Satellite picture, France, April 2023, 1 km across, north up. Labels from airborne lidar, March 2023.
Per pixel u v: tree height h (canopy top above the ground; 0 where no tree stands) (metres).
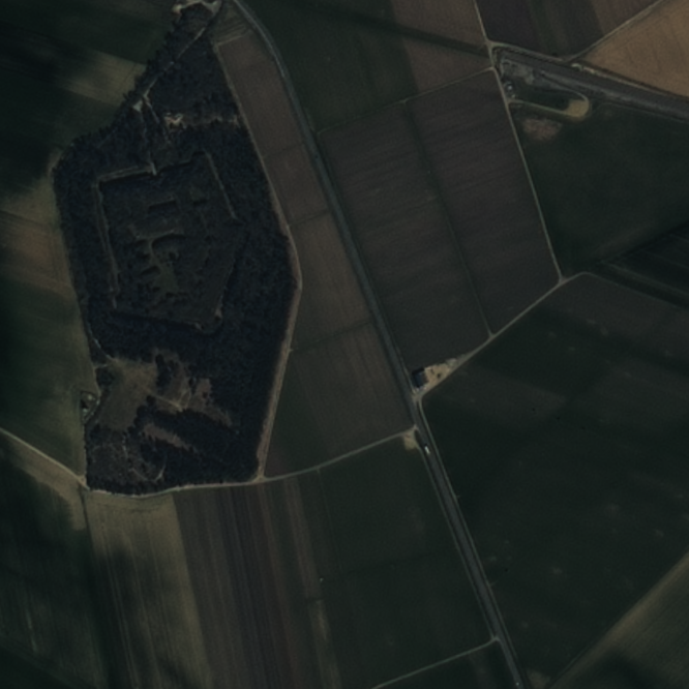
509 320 0
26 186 0
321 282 0
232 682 0
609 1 0
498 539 0
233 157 15
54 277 0
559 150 0
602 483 0
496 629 0
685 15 0
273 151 0
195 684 0
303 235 0
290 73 0
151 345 16
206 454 10
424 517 0
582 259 0
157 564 0
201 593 0
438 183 0
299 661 0
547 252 0
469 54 0
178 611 0
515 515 0
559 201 0
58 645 0
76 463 0
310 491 0
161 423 14
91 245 12
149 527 0
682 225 0
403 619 0
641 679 0
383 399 0
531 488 0
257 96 0
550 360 0
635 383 0
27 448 0
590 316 0
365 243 0
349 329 0
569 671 0
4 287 0
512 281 0
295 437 0
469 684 0
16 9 0
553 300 0
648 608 0
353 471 0
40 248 0
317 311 0
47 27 0
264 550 0
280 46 0
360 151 0
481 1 0
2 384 0
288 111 0
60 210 6
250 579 0
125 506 0
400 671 0
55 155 0
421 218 0
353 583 0
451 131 0
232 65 0
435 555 0
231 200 11
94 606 0
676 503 0
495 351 0
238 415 13
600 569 0
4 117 0
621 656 0
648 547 0
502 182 0
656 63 0
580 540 0
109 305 13
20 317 0
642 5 0
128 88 0
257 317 15
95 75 0
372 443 0
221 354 13
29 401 0
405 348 0
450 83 0
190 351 13
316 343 0
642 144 0
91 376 0
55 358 0
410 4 0
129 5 0
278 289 13
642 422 0
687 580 0
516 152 0
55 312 0
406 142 0
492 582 0
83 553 0
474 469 0
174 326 13
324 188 0
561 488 0
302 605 0
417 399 0
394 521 0
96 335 12
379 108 0
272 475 0
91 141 6
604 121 0
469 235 0
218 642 0
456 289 0
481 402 0
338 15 0
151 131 11
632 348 0
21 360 0
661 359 0
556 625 0
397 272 0
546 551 0
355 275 0
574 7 0
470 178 0
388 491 0
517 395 0
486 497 0
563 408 0
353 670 0
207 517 0
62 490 0
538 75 0
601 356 0
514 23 0
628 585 0
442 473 0
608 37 0
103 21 0
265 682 0
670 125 0
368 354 0
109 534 0
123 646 0
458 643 0
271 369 14
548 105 0
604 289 0
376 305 0
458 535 0
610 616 0
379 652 0
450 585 0
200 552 0
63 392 0
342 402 0
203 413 0
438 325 0
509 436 0
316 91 0
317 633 0
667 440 0
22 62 0
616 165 0
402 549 0
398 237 0
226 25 0
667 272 0
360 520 0
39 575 0
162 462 12
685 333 0
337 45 0
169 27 0
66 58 0
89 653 0
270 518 0
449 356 0
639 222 0
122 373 0
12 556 0
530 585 0
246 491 0
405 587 0
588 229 0
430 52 0
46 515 0
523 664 0
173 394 0
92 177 14
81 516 0
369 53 0
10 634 0
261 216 15
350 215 0
